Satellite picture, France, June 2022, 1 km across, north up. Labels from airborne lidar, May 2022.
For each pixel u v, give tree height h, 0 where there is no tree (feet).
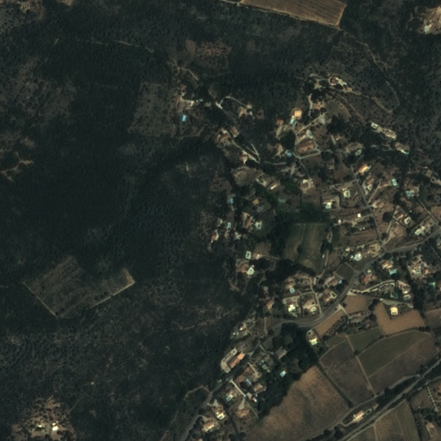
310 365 44
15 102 29
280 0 0
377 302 42
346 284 40
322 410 0
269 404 70
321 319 0
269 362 0
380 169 0
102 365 20
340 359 0
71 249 23
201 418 37
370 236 0
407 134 18
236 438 44
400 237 0
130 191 23
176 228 18
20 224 20
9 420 22
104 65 24
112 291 0
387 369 0
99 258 30
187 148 20
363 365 0
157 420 24
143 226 25
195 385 25
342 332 31
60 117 19
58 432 29
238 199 37
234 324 34
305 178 37
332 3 0
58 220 18
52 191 22
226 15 23
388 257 39
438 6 35
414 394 24
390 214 24
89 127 23
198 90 19
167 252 30
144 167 27
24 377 23
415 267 0
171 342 27
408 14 20
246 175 0
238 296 18
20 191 17
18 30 23
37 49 23
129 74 25
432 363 20
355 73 35
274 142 31
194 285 18
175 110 22
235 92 20
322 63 36
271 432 0
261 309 45
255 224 25
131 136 17
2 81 19
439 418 20
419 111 31
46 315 19
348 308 0
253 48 0
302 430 0
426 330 32
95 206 19
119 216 26
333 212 0
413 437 0
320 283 32
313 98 28
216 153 21
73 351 40
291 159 38
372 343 0
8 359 44
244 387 53
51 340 30
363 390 0
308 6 0
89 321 18
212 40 19
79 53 20
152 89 0
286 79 27
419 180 32
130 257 29
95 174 19
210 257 23
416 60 19
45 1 28
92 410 22
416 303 33
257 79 26
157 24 38
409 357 0
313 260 0
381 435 0
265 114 18
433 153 25
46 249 19
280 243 23
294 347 47
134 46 42
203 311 0
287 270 29
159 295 24
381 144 28
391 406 30
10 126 24
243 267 0
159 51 26
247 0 0
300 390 0
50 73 18
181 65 23
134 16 19
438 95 47
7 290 19
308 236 0
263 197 20
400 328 0
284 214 27
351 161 27
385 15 18
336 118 32
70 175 22
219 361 34
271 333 37
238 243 54
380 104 0
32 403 21
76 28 27
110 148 19
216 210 24
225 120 25
